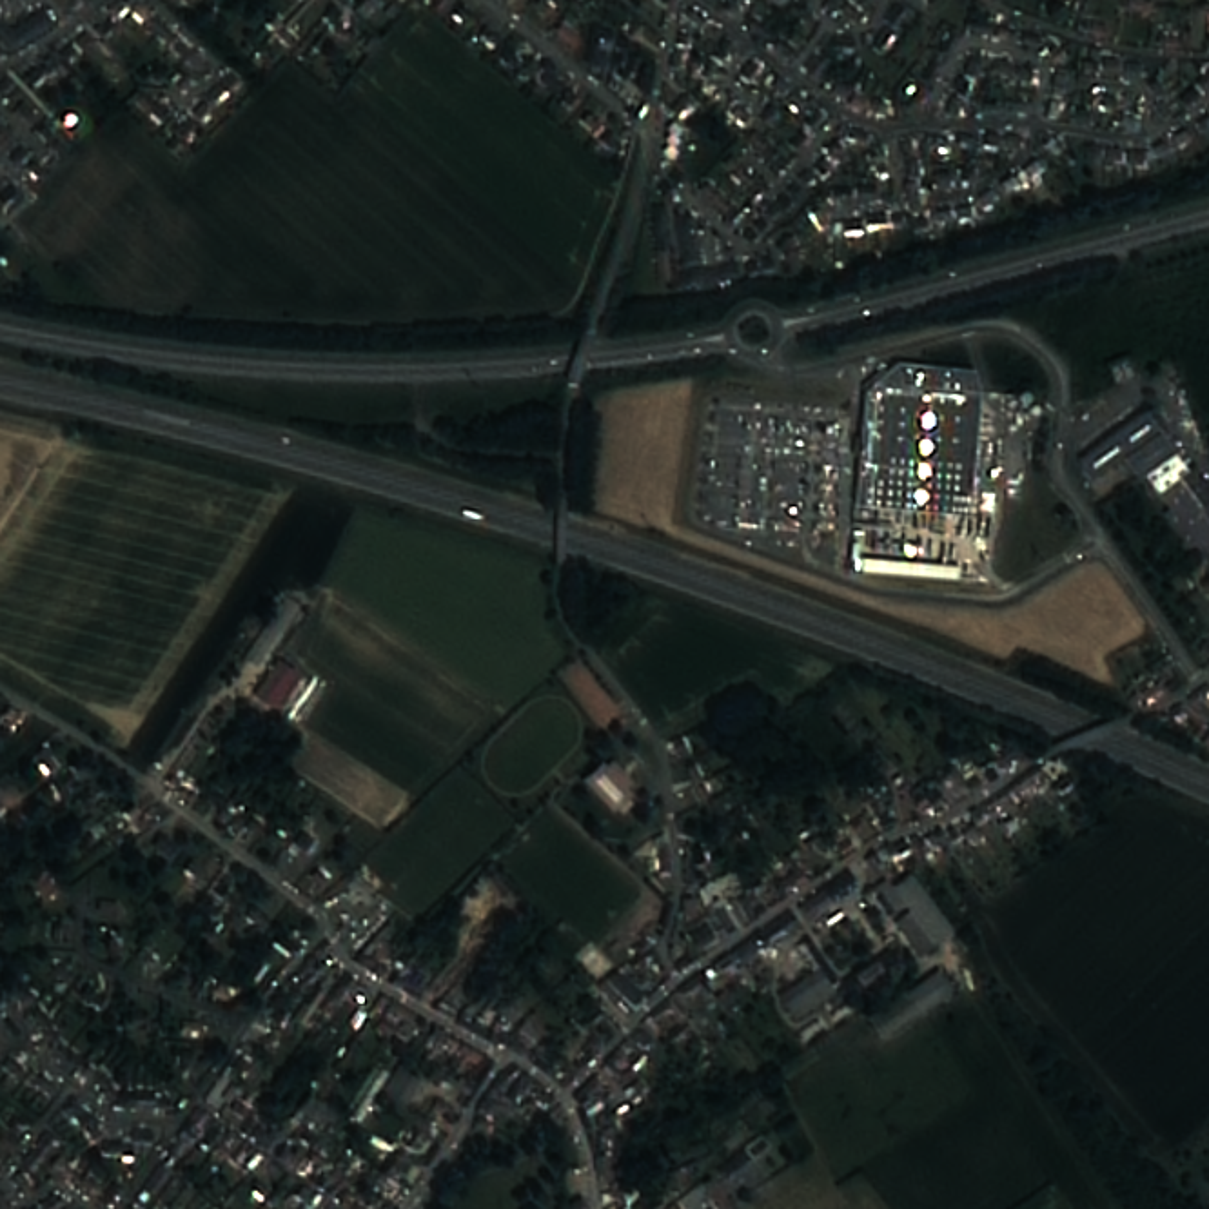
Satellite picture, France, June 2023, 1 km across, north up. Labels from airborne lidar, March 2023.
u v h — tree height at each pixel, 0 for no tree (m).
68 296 0
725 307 5
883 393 0
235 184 0
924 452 0
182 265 0
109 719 0
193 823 0
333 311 0
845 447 0
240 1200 0
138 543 0
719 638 0
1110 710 9
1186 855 0
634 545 0
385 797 0
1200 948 0
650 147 0
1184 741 11
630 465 0
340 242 0
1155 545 6
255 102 0
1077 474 0
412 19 0
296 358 0
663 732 0
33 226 0
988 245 10
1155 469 0
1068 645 0
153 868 16
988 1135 0
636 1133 15
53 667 0
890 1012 0
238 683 0
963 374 0
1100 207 18
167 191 0
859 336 7
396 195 0
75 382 0
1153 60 0
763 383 0
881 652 0
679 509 0
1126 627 0
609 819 0
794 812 29
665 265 0
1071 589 0
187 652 0
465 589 0
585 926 0
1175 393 0
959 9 0
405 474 0
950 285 0
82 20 0
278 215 0
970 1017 0
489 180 0
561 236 0
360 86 0
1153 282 0
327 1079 0
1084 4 0
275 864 0
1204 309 0
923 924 0
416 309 0
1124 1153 8
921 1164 0
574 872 0
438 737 0
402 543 0
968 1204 0
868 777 7
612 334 8
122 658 0
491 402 0
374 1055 0
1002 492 0
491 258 0
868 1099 0
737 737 31
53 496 0
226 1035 0
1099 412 0
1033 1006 0
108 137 0
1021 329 0
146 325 9
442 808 0
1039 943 0
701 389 0
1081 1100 9
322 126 0
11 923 14
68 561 0
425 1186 0
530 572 0
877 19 0
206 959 18
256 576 0
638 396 0
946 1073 0
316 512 0
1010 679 0
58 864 16
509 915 16
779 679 0
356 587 0
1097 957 0
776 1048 6
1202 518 0
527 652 0
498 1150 10
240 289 0
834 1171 0
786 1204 0
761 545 0
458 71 0
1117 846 0
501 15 0
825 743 0
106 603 0
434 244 0
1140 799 0
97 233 0
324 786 0
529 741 0
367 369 0
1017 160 0
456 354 0
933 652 0
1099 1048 0
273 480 0
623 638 0
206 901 16
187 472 0
